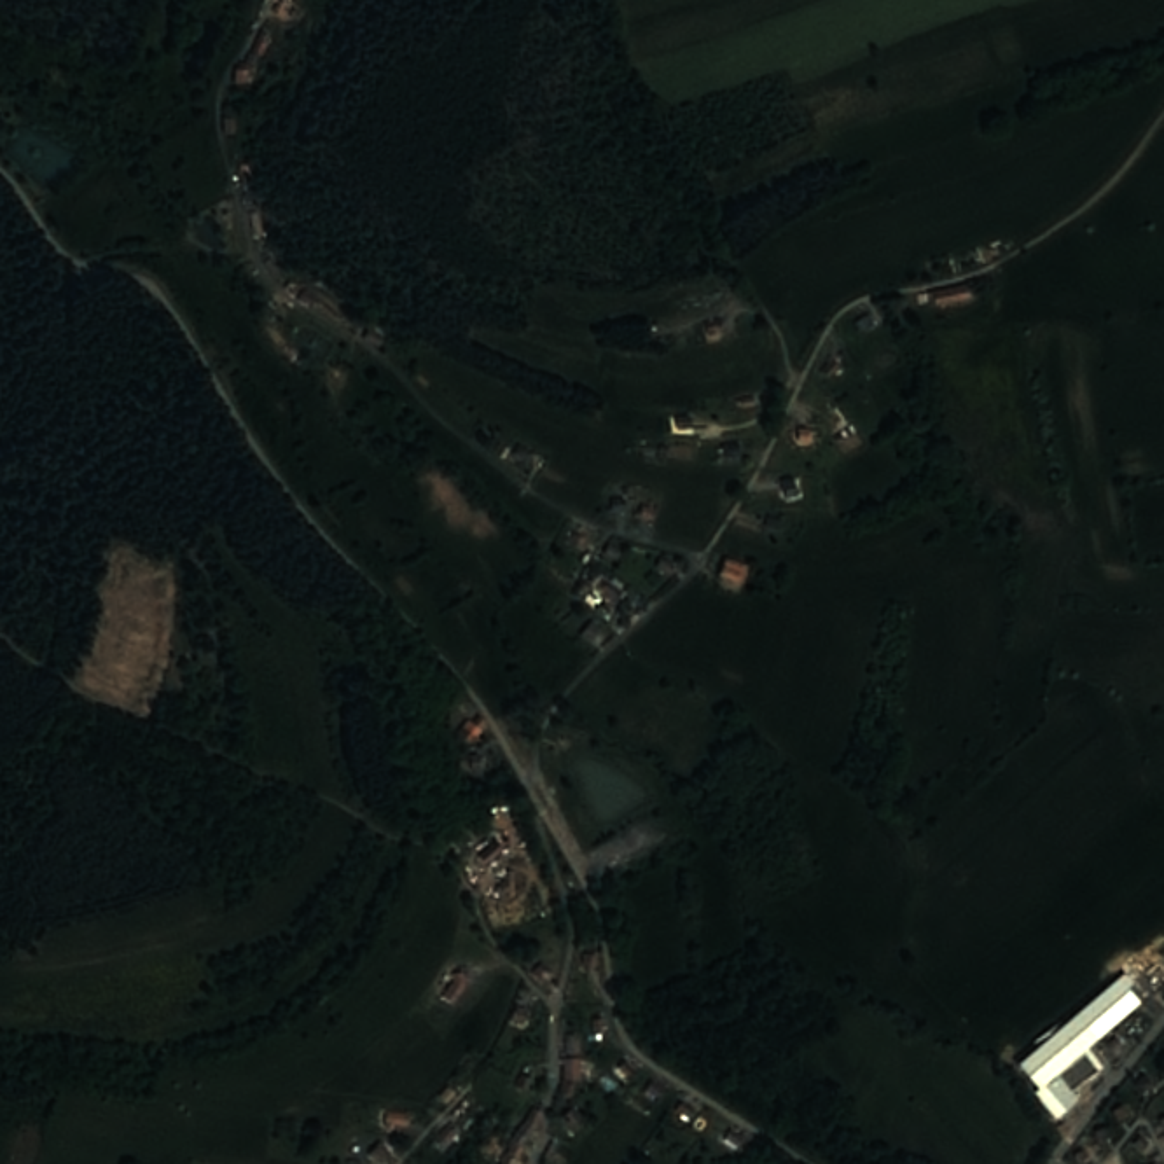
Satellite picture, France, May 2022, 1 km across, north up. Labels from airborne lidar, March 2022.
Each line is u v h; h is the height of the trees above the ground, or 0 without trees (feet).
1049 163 0
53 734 64
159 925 0
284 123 51
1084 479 0
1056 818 0
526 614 0
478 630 0
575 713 58
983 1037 0
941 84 0
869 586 0
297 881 0
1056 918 0
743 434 0
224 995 38
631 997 66
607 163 35
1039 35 0
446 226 24
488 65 31
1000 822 0
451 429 0
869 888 0
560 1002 0
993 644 0
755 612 0
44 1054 54
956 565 0
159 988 0
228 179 0
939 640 0
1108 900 0
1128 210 0
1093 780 0
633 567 0
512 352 0
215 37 104
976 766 0
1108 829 0
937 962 0
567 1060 0
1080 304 0
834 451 0
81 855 47
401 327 84
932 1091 0
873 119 0
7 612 83
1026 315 0
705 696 0
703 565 0
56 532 74
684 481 0
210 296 0
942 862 0
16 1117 0
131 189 0
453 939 0
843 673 0
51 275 109
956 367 0
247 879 31
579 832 0
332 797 0
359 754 71
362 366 0
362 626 72
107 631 0
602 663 0
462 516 0
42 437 85
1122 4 0
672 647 0
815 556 0
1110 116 0
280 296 0
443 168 33
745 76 0
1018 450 0
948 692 0
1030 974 0
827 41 0
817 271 0
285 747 0
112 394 80
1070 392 0
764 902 0
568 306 0
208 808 45
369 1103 0
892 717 25
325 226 26
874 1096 0
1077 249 0
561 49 30
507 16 30
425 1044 0
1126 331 0
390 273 29
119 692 0
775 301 0
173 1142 0
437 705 67
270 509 114
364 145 44
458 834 59
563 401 56
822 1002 65
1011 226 0
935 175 0
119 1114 0
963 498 50
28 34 94
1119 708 0
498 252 36
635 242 24
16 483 67
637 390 0
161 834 48
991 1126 0
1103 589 0
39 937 39
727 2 0
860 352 0
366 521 0
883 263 0
